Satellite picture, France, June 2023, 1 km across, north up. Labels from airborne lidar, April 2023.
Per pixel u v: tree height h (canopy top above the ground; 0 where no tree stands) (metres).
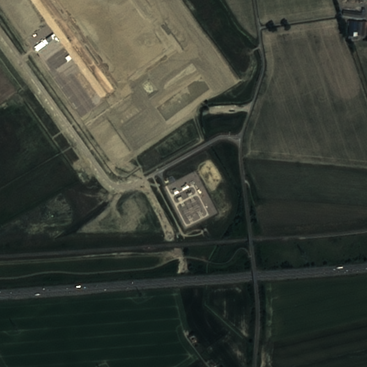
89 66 0
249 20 0
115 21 0
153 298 0
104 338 0
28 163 0
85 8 0
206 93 0
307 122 0
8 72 0
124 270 0
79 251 0
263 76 0
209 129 0
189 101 0
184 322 0
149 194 0
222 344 0
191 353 0
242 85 0
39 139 0
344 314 0
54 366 0
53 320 0
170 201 0
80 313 0
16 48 0
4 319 0
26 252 0
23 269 0
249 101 0
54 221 0
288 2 0
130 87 0
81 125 0
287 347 0
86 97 0
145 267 0
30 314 0
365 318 0
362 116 0
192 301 0
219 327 0
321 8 0
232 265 0
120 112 0
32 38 0
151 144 0
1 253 0
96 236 0
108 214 0
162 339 0
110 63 0
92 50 0
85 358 0
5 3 0
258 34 0
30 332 0
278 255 0
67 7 0
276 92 0
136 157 0
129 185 0
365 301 0
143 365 0
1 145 0
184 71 0
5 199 0
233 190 0
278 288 0
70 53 0
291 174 0
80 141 0
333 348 0
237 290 0
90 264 0
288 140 0
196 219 0
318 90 0
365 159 0
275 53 0
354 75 0
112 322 0
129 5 0
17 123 0
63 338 0
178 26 0
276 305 0
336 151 0
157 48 0
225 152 0
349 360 0
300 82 0
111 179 0
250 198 0
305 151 0
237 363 0
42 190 0
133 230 0
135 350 0
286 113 0
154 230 0
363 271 0
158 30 0
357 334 0
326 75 0
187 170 0
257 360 0
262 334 0
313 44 0
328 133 0
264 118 0
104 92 0
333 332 0
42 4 0
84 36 0
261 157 0
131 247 0
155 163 0
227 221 0
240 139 0
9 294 0
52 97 0
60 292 0
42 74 0
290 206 0
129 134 0
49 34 0
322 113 0
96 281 0
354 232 0
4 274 0
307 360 0
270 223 0
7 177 0
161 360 0
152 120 0
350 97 0
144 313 0
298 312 0
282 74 0
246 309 0
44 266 0
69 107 0
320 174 0
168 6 0
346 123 0
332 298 0
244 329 0
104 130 0
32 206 0
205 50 0
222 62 0
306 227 0
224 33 0
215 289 0
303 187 0
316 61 0
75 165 0
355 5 0
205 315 0
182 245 0
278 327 0
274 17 0
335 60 0
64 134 0
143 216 0
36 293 0
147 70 0
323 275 0
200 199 0
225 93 0
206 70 0
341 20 27
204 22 0
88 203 0
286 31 0
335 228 0
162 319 0
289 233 0
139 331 0
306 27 0
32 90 0
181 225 0
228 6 0
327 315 0
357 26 0
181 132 0
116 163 0
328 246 0
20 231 0
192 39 0
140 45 0
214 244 0
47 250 0
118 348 0
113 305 0
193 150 0
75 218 0
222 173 0
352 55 0
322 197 0
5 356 0
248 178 0
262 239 0
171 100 0
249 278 0
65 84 0
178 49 0
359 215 0
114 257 0
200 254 0
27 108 0
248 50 0
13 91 0
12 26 0
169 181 0
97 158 0
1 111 0
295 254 0
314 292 0
